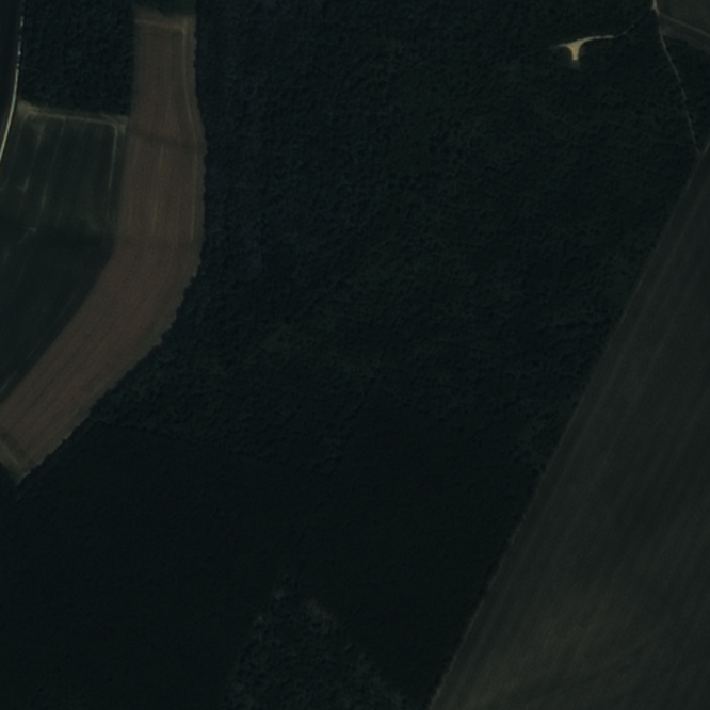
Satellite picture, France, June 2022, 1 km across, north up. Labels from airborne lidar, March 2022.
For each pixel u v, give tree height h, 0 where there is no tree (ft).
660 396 0
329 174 28
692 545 0
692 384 0
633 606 0
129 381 49
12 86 0
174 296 0
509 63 66
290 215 64
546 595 0
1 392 0
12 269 0
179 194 0
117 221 0
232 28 78
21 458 0
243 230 67
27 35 33
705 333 0
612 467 0
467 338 18
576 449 0
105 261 0
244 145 74
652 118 0
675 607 0
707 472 0
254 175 68
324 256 19
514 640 0
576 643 0
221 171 67
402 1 58
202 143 0
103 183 0
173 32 0
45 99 52
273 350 0
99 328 0
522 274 33
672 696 0
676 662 0
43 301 0
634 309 0
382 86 47
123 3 54
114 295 0
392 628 39
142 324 0
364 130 57
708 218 0
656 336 0
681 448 0
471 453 32
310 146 68
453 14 54
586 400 0
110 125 0
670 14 0
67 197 0
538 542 0
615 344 0
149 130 0
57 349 0
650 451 0
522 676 0
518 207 22
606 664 0
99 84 53
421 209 55
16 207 0
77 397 0
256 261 88
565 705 0
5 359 0
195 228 0
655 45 22
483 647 0
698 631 0
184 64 0
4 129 0
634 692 0
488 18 41
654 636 0
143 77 0
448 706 0
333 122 57
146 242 0
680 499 0
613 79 19
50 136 0
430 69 30
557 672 0
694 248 0
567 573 0
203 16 56
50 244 0
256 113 63
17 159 0
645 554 0
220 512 34
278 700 30
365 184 66
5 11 0
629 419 0
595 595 0
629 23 38
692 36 0
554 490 0
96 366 0
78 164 0
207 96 70
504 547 36
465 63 27
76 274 0
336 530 42
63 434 0
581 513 0
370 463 36
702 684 0
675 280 0
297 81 65
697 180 0
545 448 28
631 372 0
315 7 63
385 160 43
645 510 0
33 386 0
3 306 0
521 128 22
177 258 0
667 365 0
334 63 70
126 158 0
